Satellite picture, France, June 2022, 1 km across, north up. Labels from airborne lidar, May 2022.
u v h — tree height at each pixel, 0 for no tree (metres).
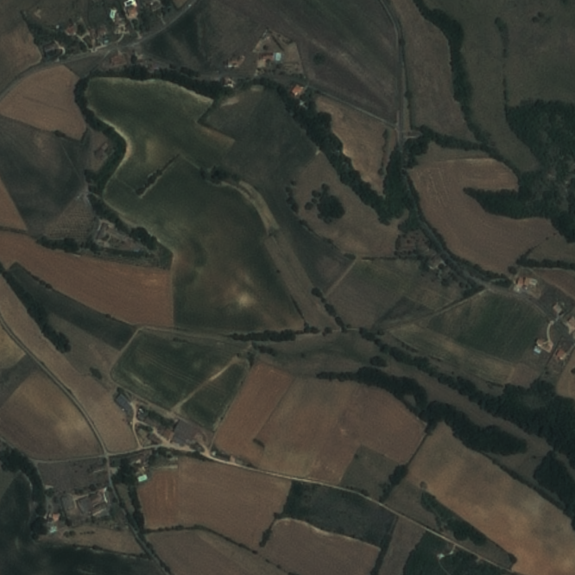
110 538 0
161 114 0
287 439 0
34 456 0
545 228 0
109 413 0
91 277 0
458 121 0
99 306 0
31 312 12
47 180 0
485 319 0
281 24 0
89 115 14
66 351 7
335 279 0
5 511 0
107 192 0
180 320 0
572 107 6
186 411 0
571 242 14
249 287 0
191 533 0
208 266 0
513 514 0
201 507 0
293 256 0
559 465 24
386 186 12
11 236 0
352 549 0
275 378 0
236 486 0
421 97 0
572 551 0
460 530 9
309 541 0
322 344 0
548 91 0
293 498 6
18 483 0
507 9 0
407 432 0
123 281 0
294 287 0
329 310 13
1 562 0
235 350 0
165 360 0
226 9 0
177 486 0
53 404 0
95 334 0
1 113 0
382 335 9
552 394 8
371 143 0
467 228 0
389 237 0
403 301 0
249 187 0
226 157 0
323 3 0
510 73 0
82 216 0
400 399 12
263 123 0
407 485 0
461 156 0
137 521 10
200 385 0
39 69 0
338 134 0
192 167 0
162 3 6
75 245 10
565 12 0
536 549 0
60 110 0
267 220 0
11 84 0
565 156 7
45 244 10
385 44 0
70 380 0
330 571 0
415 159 7
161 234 0
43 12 0
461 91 11
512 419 17
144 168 0
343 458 0
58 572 0
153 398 0
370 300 0
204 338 0
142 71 14
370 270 0
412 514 0
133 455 6
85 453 0
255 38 0
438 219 0
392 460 0
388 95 0
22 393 0
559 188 7
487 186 0
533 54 0
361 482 0
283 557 0
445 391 0
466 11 0
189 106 0
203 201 0
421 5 15
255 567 0
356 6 0
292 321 0
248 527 0
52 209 0
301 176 0
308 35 0
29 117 0
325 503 0
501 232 0
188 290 0
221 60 0
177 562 0
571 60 0
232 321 0
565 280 0
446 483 0
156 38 0
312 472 0
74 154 0
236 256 0
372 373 17
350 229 0
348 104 0
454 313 0
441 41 0
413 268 0
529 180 11
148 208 0
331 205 13
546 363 0
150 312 0
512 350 0
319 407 0
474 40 0
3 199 0
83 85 17
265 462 0
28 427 0
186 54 0
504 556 0
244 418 0
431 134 8
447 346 0
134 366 0
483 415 0
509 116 14
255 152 0
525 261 16
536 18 9
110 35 0
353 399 0
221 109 0
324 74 0
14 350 0
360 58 0
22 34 0
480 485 0
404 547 0
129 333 0
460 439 14
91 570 0
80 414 0
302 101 9
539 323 0
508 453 17
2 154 0
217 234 0
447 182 0
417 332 0
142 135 0
